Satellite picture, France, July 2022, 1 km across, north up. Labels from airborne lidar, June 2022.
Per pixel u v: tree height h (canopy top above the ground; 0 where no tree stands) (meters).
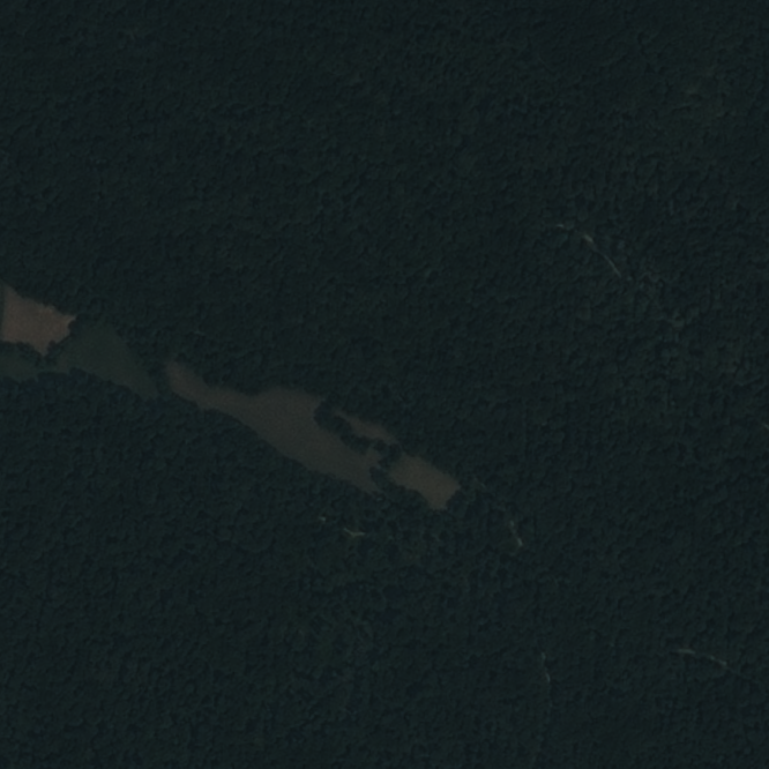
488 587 25
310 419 0
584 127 21
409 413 22
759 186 25
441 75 22
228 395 0
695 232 21
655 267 22
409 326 29
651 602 25
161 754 27
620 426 28
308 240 29
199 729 30
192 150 19
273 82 23
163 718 32
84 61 23
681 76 24
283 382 29
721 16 24
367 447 20
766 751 27
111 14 25
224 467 25
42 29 28
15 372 0
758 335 25
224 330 27
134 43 26
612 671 22
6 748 28
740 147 24
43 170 30
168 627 21
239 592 26
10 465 29
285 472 23
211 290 28
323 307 27
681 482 14
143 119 27
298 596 30
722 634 28
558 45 22
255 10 24
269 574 26
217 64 25
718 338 21
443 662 27
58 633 29
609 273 24
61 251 23
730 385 14
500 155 21
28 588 28
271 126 22
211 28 23
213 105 18
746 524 26
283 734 31
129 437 31
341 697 29
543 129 22
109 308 29
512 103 9
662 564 21
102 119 32
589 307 29
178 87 26
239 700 30
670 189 25
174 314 23
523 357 29
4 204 29
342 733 29
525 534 26
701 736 27
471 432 29
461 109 28
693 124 26
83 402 32
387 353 27
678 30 26
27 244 25
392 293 26
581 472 28
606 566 28
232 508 29
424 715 29
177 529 25
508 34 20
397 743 29
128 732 28
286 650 29
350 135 27
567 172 26
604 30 25
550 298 24
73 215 26
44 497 26
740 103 28
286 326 21
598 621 24
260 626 26
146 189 28
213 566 26
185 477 28
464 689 28
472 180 24
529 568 23
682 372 23
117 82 24
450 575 26
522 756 24
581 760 28
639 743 24
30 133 25
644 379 29
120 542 30
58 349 20
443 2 20
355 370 22
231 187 22
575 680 29
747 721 23
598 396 30
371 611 30
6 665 25
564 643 26
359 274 24
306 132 24
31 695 25
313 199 26
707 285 19
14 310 0
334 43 28
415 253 25
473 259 26
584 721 29
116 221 26
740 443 26
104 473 32
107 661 8
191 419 30
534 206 26
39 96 21
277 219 28
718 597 28
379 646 28
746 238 21
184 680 24
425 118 25
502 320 27
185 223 24
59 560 28
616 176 25
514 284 30
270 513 27
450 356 25
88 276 26
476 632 25
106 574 26
